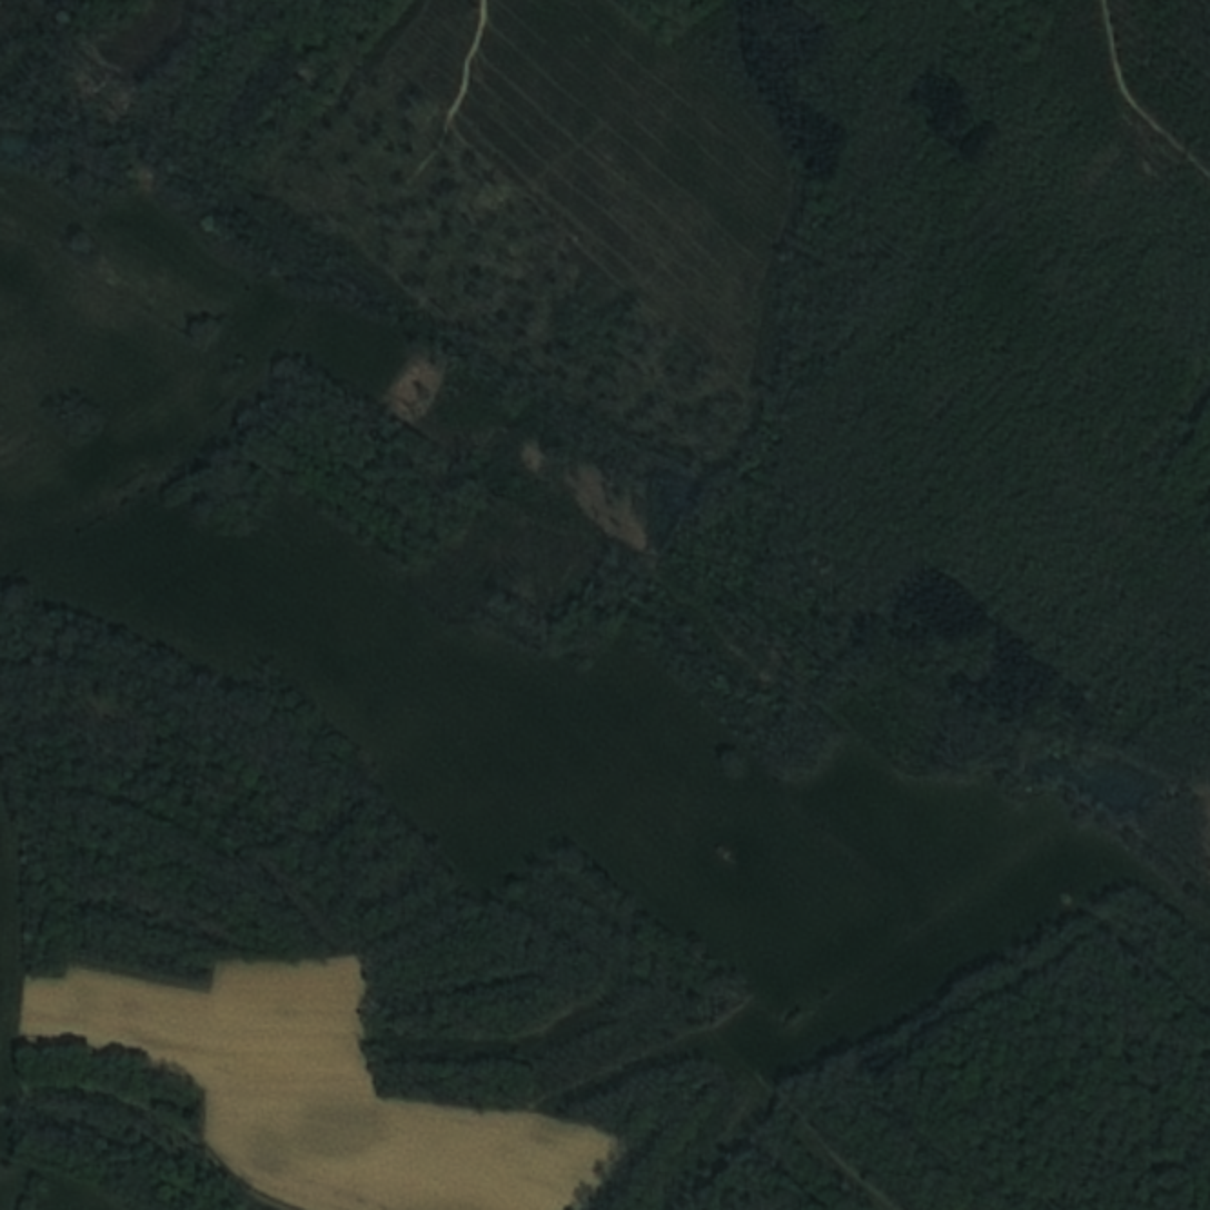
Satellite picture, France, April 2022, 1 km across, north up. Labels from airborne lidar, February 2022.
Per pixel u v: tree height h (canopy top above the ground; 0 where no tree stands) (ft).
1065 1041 76
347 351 0
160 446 0
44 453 0
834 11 59
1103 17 34
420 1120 0
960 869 0
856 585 67
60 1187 0
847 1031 0
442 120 0
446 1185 0
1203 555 44
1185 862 49
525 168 0
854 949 0
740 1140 0
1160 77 43
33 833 62
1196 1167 76
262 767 85
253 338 0
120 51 0
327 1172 0
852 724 0
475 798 0
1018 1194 68
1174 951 79
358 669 0
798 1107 53
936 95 71
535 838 0
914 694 69
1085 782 0
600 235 0
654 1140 73
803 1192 72
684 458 62
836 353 59
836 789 0
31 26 0
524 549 0
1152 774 36
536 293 68
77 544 0
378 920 81
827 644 56
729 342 0
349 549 0
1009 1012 73
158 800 72
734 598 68
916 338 49
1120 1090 91
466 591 0
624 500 57
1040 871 0
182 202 59
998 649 62
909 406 50
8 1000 0
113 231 0
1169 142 41
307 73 72
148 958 66
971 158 68
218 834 27
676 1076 66
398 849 79
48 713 85
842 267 58
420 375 0
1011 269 46
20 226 0
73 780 58
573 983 87
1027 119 51
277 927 83
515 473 33
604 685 0
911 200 62
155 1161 64
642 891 0
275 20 86
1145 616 57
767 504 74
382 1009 80
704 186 0
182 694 66
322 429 78
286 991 0
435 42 0
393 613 0
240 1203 84
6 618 56
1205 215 48
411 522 74
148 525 0
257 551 0
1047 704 86
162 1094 78
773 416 62
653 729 0
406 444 84
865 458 57
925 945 0
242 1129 0
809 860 0
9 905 0
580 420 78
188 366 0
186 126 76
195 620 0
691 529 24
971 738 78
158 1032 0
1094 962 87
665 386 73
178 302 0
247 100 85
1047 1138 68
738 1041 0
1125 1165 72
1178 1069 84
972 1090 71
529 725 0
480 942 91
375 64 0
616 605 108
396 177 0
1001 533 51
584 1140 0
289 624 0
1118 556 44
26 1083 55
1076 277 55
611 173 0
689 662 51
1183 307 67
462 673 0
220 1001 0
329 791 89
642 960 74
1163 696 75
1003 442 42
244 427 45
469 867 0
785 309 68
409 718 0
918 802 0
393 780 0
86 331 0
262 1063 0
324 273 42
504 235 73
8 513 0
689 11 85
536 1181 0
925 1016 43
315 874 85
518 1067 81
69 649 86
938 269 49
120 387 0
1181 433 56
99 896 74
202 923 78
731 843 0
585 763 0
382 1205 0
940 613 77
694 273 0
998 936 0
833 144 67
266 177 82
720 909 0
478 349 74
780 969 0
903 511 51
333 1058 0
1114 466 29
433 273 70
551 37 0
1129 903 66
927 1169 61
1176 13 51
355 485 67
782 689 26
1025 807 47
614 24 0
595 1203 52
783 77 85
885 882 0
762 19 75
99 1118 87
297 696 31
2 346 0
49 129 57
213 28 88
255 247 62
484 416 0
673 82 0
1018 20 80
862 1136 76
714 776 0
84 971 0
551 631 74
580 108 0
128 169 66
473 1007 89
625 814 0
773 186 0
